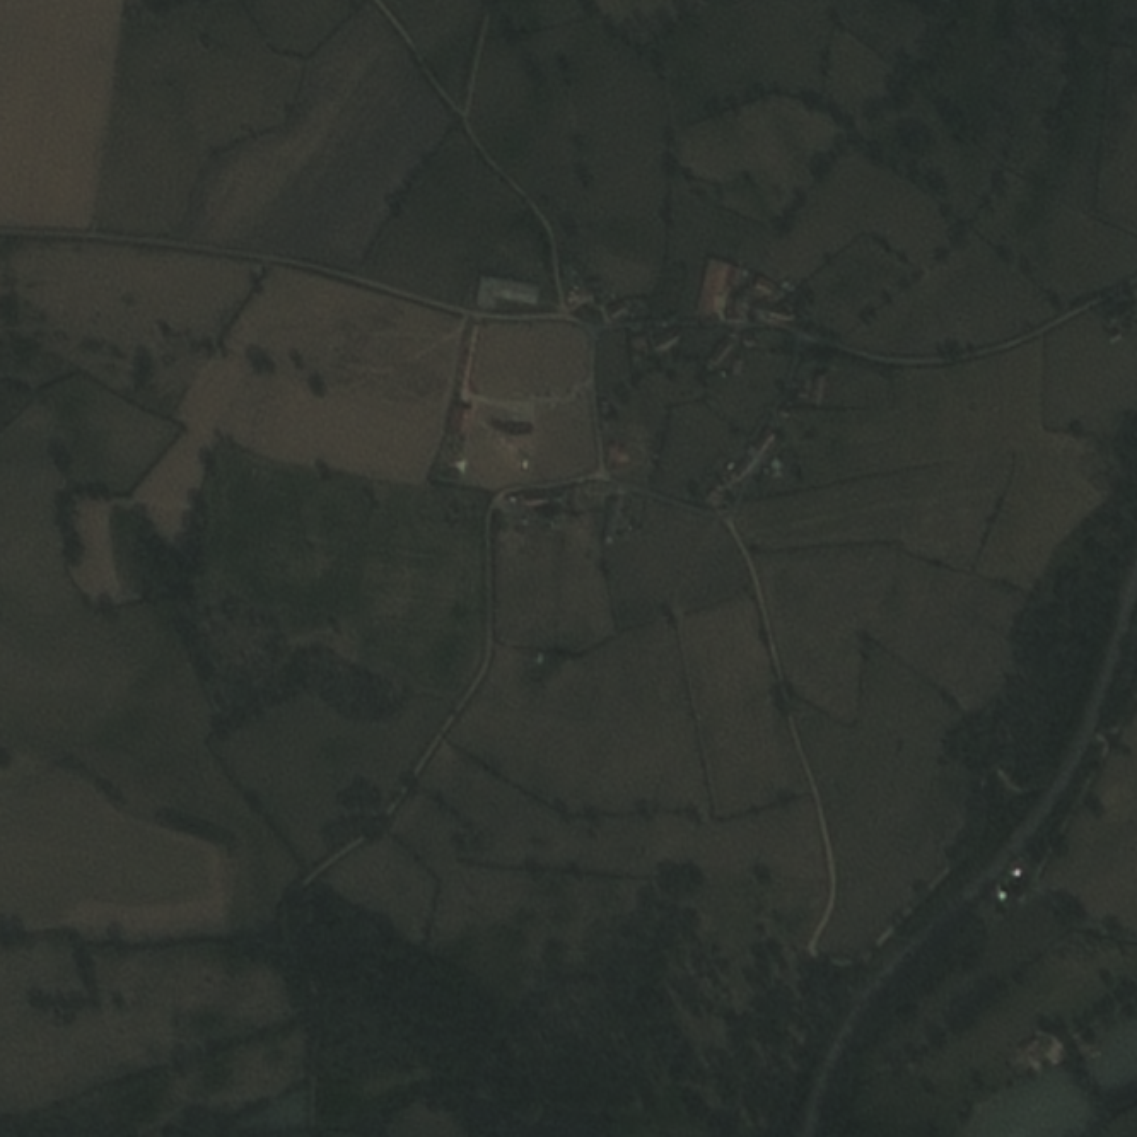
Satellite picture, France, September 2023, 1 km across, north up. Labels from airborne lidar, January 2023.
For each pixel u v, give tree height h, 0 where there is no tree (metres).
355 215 0
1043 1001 0
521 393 0
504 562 0
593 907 0
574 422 0
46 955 0
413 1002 17
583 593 0
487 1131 20
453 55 0
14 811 0
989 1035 0
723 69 0
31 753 0
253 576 0
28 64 0
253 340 0
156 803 0
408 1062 13
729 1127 23
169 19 0
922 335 0
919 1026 0
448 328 0
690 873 12
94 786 0
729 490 7
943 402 0
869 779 0
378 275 0
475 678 0
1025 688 11
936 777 0
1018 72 0
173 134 0
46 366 0
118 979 0
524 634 0
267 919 0
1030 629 10
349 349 0
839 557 0
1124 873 0
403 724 0
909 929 13
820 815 0
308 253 0
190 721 0
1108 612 14
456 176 0
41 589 0
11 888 0
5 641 0
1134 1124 0
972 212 0
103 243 0
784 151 0
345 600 0
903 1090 0
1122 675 10
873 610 0
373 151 0
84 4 0
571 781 0
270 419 0
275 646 11
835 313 0
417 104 0
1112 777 0
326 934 7
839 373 0
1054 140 7
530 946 0
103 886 0
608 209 0
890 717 0
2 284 0
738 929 0
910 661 0
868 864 0
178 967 0
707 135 0
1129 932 0
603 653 0
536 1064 9
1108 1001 8
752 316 10
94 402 0
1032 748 14
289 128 0
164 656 0
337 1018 6
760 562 0
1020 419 0
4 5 0
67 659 0
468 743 0
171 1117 0
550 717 0
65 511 16
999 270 0
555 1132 25
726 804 0
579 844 0
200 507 15
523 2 0
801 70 0
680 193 0
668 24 18
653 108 0
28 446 0
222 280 0
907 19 0
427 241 0
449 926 0
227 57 0
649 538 0
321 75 0
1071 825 0
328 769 0
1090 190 0
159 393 0
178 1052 11
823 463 0
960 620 0
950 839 0
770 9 0
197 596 10
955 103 0
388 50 0
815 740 0
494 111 0
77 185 0
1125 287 11
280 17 0
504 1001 0
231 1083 0
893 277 0
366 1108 0
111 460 0
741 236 0
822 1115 16
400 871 0
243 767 0
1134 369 0
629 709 0
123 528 0
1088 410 0
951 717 0
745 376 0
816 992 18
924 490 0
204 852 0
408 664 0
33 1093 0
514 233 0
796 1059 12
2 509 0
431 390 0
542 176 0
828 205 0
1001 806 17
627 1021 18
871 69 0
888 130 0
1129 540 13
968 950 20
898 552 0
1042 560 0
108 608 15
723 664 0
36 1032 0
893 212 0
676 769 0
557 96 0
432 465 0
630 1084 19
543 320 0
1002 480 0
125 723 0
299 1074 0
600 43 0
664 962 19
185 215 0
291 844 0
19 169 0
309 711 0
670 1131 0
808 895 0
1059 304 13
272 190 0
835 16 11
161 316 0
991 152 0
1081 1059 10
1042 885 0
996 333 0
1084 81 0
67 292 0
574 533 0
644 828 0
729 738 0
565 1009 10
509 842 0
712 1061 16
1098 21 0
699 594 0
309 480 0
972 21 0
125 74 0
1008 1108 0
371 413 0
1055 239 0
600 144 0
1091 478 0
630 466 0
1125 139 0
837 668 0
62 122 0
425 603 0
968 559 0
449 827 0
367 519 0
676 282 6
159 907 0
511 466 0
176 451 0
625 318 0
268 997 0
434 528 0
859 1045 15
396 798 8
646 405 0
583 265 0
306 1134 8
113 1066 0
